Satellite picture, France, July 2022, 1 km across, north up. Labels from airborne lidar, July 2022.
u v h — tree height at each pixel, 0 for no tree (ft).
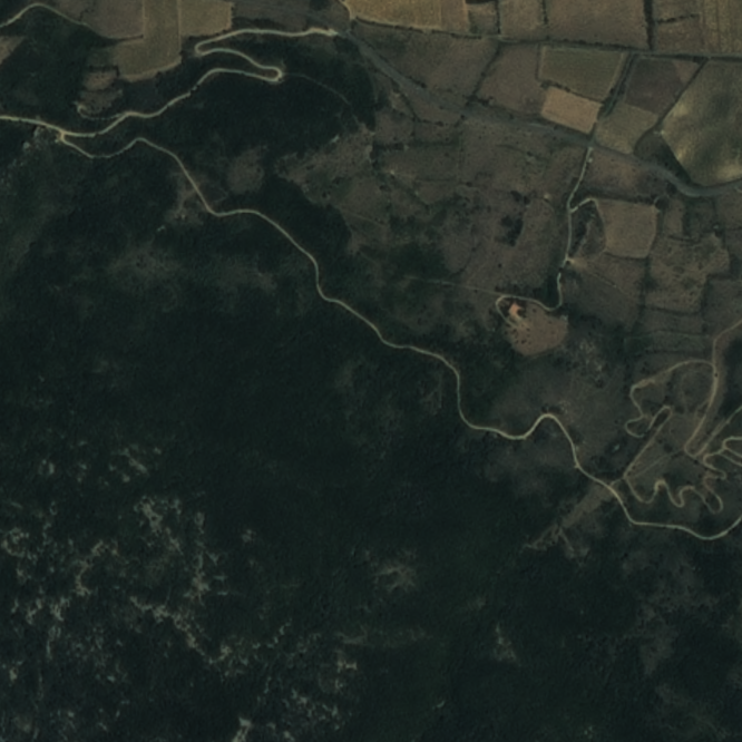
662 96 0
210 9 0
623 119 0
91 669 24
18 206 21
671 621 23
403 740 29
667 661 20
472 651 17
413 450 28
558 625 23
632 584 18
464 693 23
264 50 23
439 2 0
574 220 0
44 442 23
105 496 18
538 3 0
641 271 0
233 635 21
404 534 25
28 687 26
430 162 0
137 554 21
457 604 21
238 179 0
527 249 0
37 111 21
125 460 27
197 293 24
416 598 19
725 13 0
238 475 20
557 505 21
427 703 22
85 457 18
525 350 0
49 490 20
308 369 20
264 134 18
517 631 21
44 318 28
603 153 0
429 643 17
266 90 19
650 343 0
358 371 27
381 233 0
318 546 27
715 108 0
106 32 0
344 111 21
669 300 0
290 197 26
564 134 0
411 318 0
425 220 0
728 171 0
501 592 28
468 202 0
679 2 0
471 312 0
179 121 23
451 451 23
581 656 21
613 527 22
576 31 0
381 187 21
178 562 19
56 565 26
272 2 0
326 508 20
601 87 0
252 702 25
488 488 25
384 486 27
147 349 19
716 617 20
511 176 0
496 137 0
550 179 0
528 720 20
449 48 0
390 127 0
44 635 31
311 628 25
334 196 0
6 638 20
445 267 0
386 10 0
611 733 20
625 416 0
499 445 19
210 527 21
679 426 0
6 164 19
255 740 20
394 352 19
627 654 27
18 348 27
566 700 23
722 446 0
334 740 19
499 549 29
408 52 0
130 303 20
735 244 0
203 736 34
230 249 19
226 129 23
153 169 22
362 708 18
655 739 23
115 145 22
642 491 0
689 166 0
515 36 0
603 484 0
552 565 23
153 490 20
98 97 0
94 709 18
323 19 0
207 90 21
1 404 22
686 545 19
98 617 19
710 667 22
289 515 17
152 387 19
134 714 18
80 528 23
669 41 0
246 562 24
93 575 20
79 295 18
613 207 0
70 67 26
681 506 0
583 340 0
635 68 0
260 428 22
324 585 27
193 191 0
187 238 20
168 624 24
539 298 32
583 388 0
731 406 20
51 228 18
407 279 0
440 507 20
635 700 24
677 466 0
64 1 0
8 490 23
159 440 20
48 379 23
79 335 19
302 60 25
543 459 0
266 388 20
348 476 18
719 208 0
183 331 22
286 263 18
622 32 0
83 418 17
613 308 0
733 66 0
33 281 19
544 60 0
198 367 19
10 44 0
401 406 25
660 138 0
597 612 21
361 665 22
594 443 0
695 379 0
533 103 0
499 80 0
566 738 19
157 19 0
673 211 0
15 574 23
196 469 17
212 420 24
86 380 22
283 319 27
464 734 24
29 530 21
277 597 21
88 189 20
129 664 20
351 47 24
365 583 18
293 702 24
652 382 0
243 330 24
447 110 0
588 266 0
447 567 22
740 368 0
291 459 27
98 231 19
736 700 32
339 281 25
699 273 0
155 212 27
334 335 24
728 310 0
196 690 31
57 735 19
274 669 24
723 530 0
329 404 26
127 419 20
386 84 0
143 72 0
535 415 0
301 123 20
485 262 0
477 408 27
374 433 17
